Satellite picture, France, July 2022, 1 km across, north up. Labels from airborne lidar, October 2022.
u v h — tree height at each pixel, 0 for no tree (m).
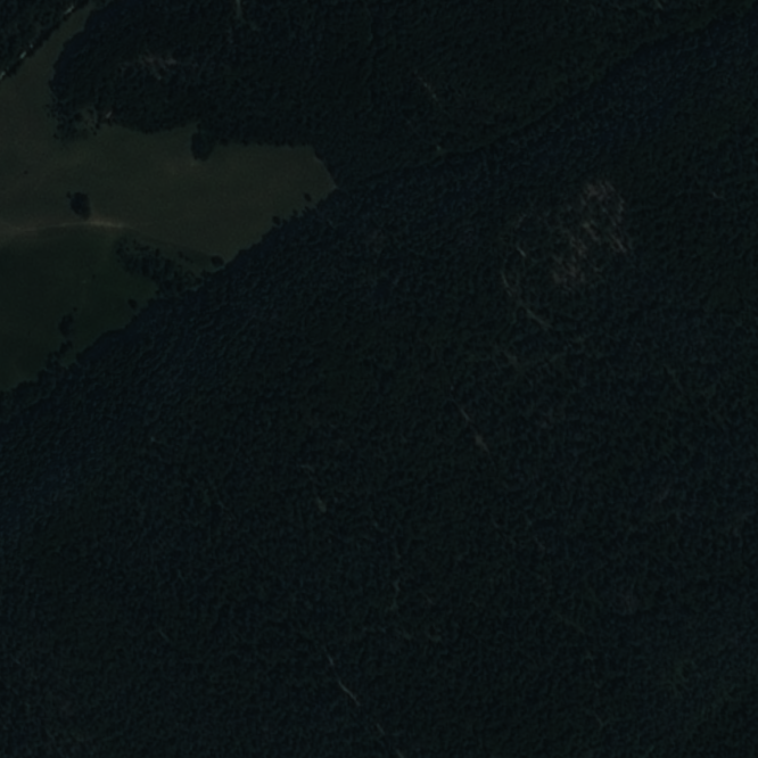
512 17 21
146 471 20
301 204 0
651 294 22
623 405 22
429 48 17
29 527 21
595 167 17
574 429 26
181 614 24
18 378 0
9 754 24
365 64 24
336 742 26
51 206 0
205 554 20
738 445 17
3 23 15
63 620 18
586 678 20
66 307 0
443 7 21
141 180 0
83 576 21
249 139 14
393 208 16
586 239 19
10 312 0
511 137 25
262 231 0
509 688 12
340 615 27
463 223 20
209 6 24
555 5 22
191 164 0
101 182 0
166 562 27
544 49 24
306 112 12
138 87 9
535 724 15
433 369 22
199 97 7
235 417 17
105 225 0
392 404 17
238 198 0
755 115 18
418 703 16
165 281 9
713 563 18
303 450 20
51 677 18
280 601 20
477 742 18
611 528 30
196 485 22
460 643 19
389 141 11
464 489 22
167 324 17
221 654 22
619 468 10
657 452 18
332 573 20
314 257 18
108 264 0
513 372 20
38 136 0
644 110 17
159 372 23
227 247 0
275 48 25
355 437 19
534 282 18
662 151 14
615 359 26
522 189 18
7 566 19
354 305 17
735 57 25
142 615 23
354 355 19
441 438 18
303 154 0
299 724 11
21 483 22
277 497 14
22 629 21
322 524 19
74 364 0
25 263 0
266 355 18
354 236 19
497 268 16
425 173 30
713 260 11
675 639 17
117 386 26
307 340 24
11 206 0
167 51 13
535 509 19
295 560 18
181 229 0
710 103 20
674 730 24
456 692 16
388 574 9
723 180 14
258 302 18
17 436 27
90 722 14
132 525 20
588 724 10
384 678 21
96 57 14
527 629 19
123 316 0
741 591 20
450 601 15
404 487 13
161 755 15
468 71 25
